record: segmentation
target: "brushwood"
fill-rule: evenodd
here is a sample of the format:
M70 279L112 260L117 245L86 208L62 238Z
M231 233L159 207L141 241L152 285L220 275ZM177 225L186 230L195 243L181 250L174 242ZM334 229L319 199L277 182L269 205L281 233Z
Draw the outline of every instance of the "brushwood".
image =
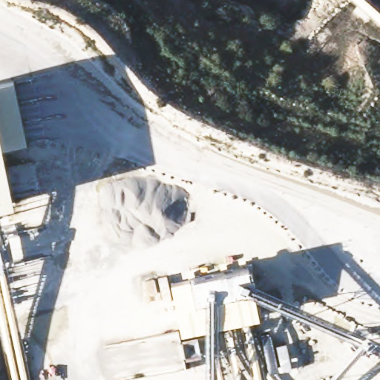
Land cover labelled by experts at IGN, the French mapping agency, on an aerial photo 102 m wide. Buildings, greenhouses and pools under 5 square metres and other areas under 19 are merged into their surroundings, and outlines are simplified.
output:
M330 172L332 163L328 162L325 156L307 154L300 162Z
M220 56L217 55L200 58L200 67L208 67L211 73L218 76L229 77L230 74L229 71L220 68Z
M166 56L172 62L177 62L178 74L183 76L183 59L169 52L168 46L163 42L163 33L157 31L154 37L160 47L160 55Z

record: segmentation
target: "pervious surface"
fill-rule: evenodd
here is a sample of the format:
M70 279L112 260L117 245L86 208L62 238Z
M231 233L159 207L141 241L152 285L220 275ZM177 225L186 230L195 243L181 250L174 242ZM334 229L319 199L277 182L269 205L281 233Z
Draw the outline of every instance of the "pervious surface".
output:
M239 82L245 83L248 91L260 88L261 95L273 99L281 107L312 110L313 105L318 105L321 110L327 110L328 116L332 119L343 123L346 122L347 114L352 114L355 110L341 105L340 99L328 95L325 88L332 88L332 85L335 85L338 89L346 89L349 86L352 91L356 91L356 86L365 86L365 94L356 98L362 99L358 111L362 111L364 116L368 116L370 108L380 101L380 0L0 0L0 80L9 77L13 79L27 142L22 150L3 154L13 211L0 217L0 380L380 380L380 178L362 175L356 181L356 168L352 166L338 168L334 174L330 172L300 162L289 162L281 154L255 147L249 142L235 140L232 135L187 116L172 105L160 107L157 104L157 95L138 79L137 74L140 73L144 62L156 61L157 65L160 65L159 71L163 73L172 62L166 56L160 55L160 47L154 37L147 33L147 28L151 24L165 24L168 16L172 15L174 21L184 28L184 33L191 42L197 43L197 46L217 47L217 55L220 56L220 68L229 71L230 74ZM245 284L245 289L248 289L249 297L255 300L260 324L243 327L242 330L236 328L214 334L214 367L209 368L209 365L205 364L205 337L199 335L184 338L183 332L178 328L160 330L153 322L157 313L151 312L151 301L138 301L132 288L132 278L141 275L141 281L144 282L153 282L153 278L159 278L159 281L166 279L168 284L175 285L181 284L183 278L193 281L194 276L203 278L205 273L226 270L232 263L249 266L251 281ZM291 365L286 373L279 371L281 362L278 347L281 346L288 350Z

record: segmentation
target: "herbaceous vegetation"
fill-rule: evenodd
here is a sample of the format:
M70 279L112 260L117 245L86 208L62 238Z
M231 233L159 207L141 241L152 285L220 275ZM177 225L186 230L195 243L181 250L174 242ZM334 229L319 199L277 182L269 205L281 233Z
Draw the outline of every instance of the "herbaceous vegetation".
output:
M157 31L163 33L163 42L168 46L169 52L183 59L183 76L178 74L177 62L172 62L163 73L159 71L160 65L157 65L156 61L144 62L140 73L137 74L138 79L157 95L157 104L160 107L172 105L187 116L232 135L235 140L249 142L255 147L281 154L289 162L300 162L307 154L325 156L328 162L332 163L330 172L334 174L338 168L352 166L356 168L356 181L362 175L380 178L380 101L370 108L368 116L364 116L362 111L358 111L362 99L356 98L365 94L365 86L356 86L356 91L352 91L349 86L346 89L338 89L335 85L332 85L332 88L325 88L328 95L340 99L341 105L355 110L352 114L347 114L346 122L343 123L332 119L328 116L327 110L321 110L318 105L313 105L312 110L281 107L273 99L261 95L260 88L248 91L245 83L239 82L230 74L229 77L218 76L211 73L208 67L200 67L200 58L217 55L217 47L197 46L197 43L191 42L184 33L184 28L174 21L172 15L168 16L165 24L151 24L147 28L147 33L154 37Z

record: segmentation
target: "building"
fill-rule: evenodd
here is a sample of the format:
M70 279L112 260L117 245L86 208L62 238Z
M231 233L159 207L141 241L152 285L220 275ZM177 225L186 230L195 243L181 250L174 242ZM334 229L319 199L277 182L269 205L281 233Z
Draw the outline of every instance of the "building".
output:
M27 142L13 79L9 77L0 80L0 217L13 211L3 154L22 150Z
M281 346L278 347L281 362L279 371L286 373L291 365L288 350Z
M166 279L159 281L159 278L153 278L153 282L144 282L141 281L141 275L132 278L132 288L138 301L151 301L151 312L157 313L153 322L160 330L178 328L183 332L184 338L199 335L205 337L205 364L209 365L209 368L214 367L214 334L236 328L242 330L243 327L260 324L255 300L249 297L248 289L245 289L245 284L251 281L249 266L232 263L226 270L205 273L203 278L194 276L193 281L183 278L181 284L175 285L168 284Z

